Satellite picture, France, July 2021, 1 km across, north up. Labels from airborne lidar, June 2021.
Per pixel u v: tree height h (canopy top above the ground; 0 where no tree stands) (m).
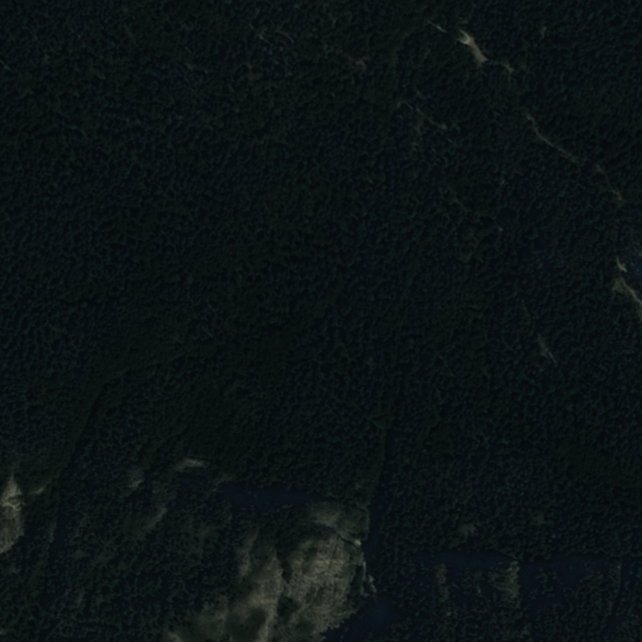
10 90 21
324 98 35
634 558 8
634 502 20
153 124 31
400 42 18
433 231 20
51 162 13
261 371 30
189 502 24
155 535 15
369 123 26
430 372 37
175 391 22
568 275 17
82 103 16
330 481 11
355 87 16
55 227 27
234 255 24
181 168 34
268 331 32
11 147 25
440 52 23
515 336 31
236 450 15
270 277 41
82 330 30
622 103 22
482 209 10
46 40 14
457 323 29
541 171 27
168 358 32
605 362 14
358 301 33
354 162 20
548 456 24
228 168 33
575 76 20
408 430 7
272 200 28
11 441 12
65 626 8
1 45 23
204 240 26
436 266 33
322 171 35
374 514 13
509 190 15
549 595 25
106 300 11
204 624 0
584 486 21
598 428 27
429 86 23
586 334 21
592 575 7
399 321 24
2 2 16
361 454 13
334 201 26
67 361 26
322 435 21
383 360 29
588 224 29
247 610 0
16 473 8
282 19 14
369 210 21
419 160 16
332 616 0
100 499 12
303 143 16
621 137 35
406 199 15
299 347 36
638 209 19
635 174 21
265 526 13
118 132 7
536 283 29
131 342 20
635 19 18
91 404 17
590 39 23
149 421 34
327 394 9
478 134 18
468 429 8
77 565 18
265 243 21
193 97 30
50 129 13
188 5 16
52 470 14
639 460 17
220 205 17
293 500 23
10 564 17
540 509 21
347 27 9
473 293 21
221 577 10
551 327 22
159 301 19
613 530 26
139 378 20
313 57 19
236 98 18
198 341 27
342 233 32
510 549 16
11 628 10
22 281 15
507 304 28
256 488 20
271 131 23
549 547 14
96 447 17
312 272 37
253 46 20
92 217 12
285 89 17
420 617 10
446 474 21
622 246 19
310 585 0
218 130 24
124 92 18
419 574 8
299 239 13
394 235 25
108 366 15
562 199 28
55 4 23
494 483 8
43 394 27
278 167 19
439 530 9
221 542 8
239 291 37
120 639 22
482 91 28
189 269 13
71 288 26
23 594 17
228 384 28
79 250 28
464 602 34
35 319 16
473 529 0
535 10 26
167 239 35
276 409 13
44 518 12
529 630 13
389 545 14
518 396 22
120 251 26
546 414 31
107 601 11
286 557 10
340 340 8
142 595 13
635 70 19
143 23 18
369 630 22
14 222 34
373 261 17
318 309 22
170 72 35
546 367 15
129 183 26
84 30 29
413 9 13
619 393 27
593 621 20
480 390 28
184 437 15
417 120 30
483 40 32
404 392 28
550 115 16
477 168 15
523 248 7
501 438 41
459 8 27
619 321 19
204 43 16
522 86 18
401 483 9
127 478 11
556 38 8
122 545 13
